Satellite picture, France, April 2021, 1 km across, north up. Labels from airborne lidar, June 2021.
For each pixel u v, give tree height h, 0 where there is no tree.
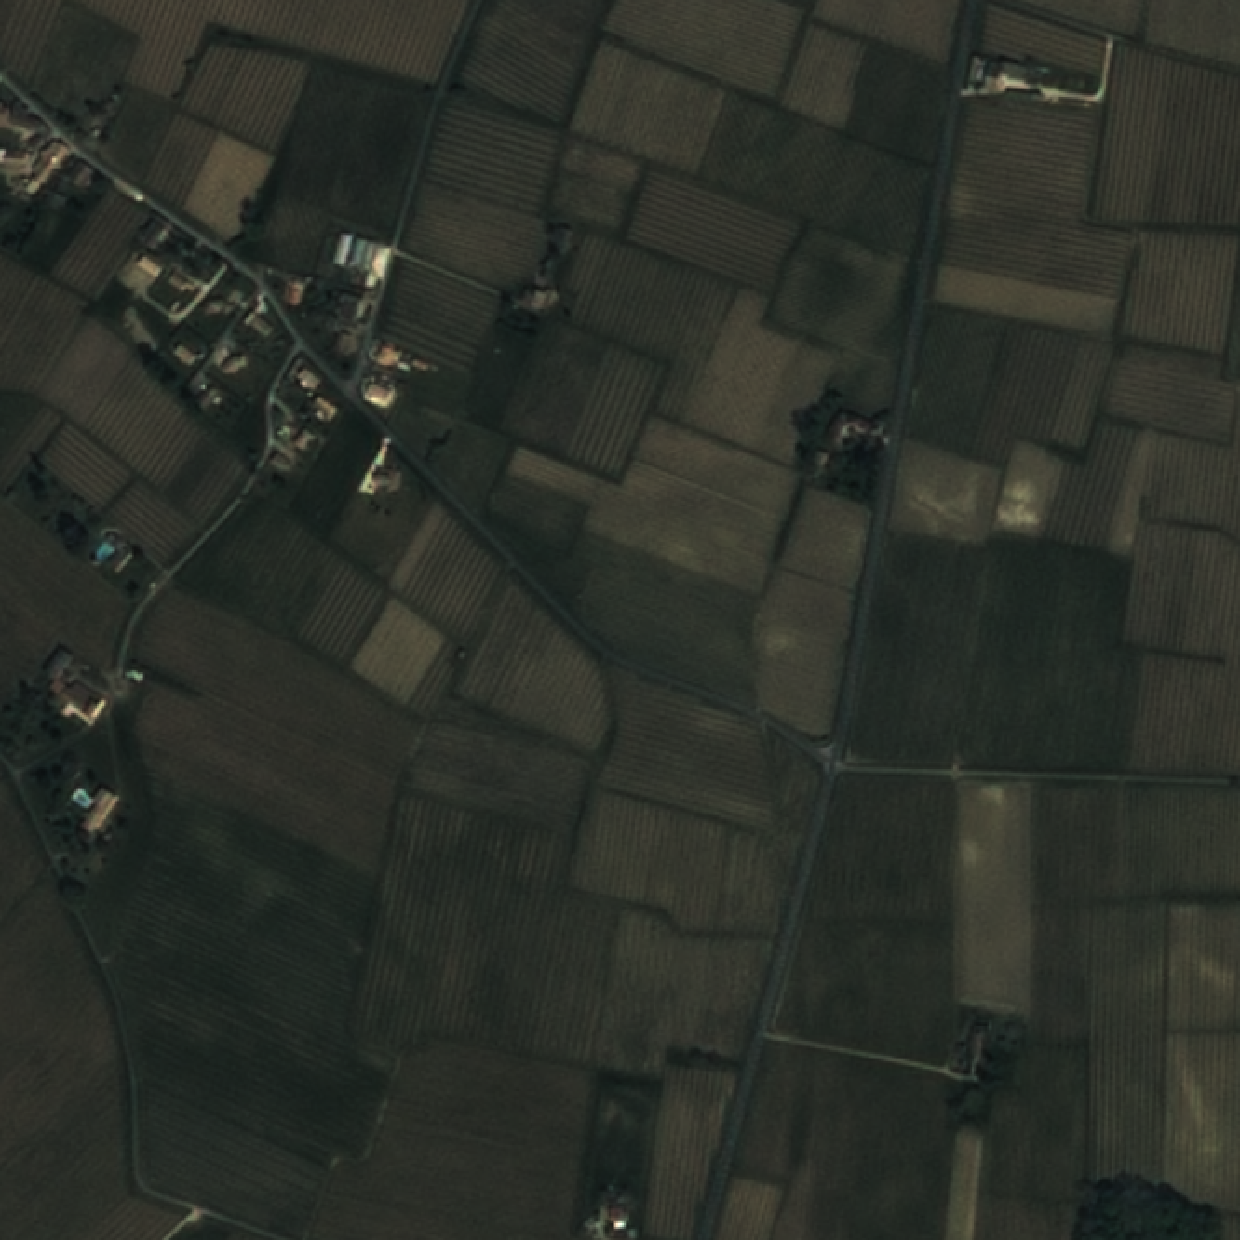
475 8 0
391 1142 0
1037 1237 0
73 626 0
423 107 0
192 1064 0
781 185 0
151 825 0
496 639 0
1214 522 0
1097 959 0
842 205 0
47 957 0
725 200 0
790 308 0
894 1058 0
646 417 0
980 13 0
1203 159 0
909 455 0
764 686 0
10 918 0
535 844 0
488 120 0
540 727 0
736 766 0
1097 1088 0
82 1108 0
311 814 0
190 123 0
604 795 0
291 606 0
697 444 0
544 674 0
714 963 0
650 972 0
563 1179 0
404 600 0
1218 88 0
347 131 0
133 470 0
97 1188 0
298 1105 0
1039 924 0
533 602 0
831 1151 0
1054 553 0
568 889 0
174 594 0
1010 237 0
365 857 0
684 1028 0
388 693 0
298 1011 0
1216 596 0
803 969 0
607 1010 0
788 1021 0
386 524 0
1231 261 0
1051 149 0
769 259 0
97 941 0
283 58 0
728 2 0
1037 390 0
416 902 0
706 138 0
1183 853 0
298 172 0
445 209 0
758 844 0
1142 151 0
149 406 0
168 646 0
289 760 0
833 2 0
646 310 0
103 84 0
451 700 0
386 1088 0
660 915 0
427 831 0
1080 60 0
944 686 0
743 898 0
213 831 0
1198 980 0
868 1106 0
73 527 18
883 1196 0
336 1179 0
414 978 0
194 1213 0
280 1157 0
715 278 0
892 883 0
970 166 0
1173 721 0
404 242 0
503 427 0
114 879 0
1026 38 0
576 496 0
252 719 0
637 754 0
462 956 0
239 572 0
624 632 0
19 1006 0
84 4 0
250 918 0
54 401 0
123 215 0
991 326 0
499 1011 0
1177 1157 0
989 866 0
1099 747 0
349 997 0
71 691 0
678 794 0
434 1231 0
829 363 0
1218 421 0
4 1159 0
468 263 0
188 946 0
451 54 0
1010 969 0
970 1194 0
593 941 0
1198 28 0
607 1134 0
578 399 0
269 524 0
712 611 0
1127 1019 0
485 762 0
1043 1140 0
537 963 0
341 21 0
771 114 0
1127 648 0
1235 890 0
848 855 0
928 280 0
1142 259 0
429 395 0
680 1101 0
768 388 0
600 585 0
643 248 0
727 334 0
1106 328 0
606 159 0
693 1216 0
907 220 0
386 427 0
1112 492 0
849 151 0
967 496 0
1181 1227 17
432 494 0
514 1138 0
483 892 0
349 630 0
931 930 0
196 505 0
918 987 0
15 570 0
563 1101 0
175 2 0
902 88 0
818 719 0
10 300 0
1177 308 0
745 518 0
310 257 0
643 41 0
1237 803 0
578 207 0
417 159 0
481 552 0
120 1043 0
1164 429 0
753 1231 0
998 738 0
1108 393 0
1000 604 0
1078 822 0
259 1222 0
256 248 0
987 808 0
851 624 0
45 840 0
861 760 0
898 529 0
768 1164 0
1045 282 0
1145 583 0
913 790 0
